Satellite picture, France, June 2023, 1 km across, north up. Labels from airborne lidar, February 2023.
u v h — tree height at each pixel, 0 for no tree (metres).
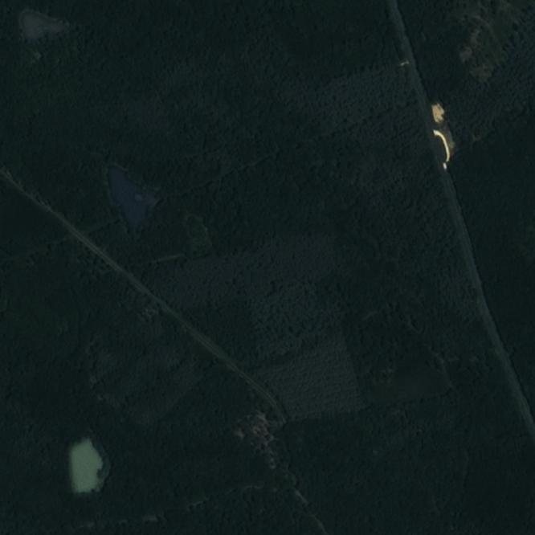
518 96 28
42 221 10
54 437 24
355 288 16
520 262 23
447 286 24
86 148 6
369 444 21
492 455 18
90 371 6
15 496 21
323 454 19
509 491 22
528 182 21
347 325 21
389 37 18
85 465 0
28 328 13
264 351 28
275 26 7
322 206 22
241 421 24
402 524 22
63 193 22
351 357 14
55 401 23
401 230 18
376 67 16
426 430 19
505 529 18
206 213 13
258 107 13
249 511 24
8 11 27
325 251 23
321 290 24
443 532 19
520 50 29
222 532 22
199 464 19
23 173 19
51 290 6
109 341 21
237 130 18
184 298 28
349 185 22
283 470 21
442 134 0
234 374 20
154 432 18
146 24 24
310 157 26
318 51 13
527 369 17
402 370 6
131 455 24
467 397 23
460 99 25
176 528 19
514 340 23
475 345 25
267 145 22
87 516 24
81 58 19
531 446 19
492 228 22
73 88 16
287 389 18
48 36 14
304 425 22
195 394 21
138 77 22
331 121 23
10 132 23
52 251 20
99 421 20
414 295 16
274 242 27
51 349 13
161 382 19
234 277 25
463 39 21
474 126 23
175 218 22
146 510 26
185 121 20
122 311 24
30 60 21
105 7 22
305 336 25
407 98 27
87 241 0
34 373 25
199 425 27
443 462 23
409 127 25
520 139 22
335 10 13
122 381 22
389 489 21
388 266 18
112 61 22
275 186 22
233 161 22
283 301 25
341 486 17
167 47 22
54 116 21
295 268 24
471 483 22
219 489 18
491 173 18
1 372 23
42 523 13
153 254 19
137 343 24
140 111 25
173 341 22
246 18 7
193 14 22
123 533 20
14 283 17
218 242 16
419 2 18
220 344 16
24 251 21
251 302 28
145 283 16
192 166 19
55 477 21
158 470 23
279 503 18
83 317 20
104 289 22
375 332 7
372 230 17
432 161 19
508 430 22
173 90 23
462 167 22
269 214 17
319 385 19
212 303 25
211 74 16
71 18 22
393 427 20
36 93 19
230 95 20
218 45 17
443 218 22
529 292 23
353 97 27
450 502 15
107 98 22
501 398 22
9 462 19
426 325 20
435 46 20
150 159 21
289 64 21
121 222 12
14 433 23
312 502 15
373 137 23
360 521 19
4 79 25
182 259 6
